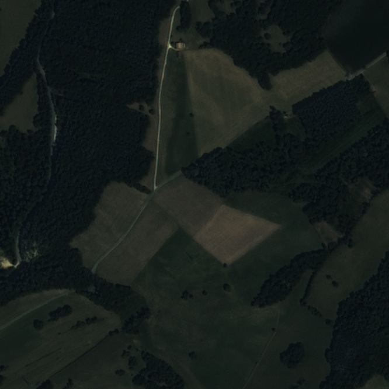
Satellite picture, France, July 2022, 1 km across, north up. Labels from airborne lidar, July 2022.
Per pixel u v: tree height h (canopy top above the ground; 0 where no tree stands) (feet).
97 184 57
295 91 0
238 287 0
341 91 74
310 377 0
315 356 0
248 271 0
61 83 66
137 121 51
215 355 0
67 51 98
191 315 0
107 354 0
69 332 0
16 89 69
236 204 0
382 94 0
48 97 71
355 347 60
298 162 63
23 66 84
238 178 93
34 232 65
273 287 63
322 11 44
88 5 63
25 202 106
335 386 100
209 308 0
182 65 0
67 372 0
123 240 0
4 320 0
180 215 0
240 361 0
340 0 32
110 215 0
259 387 0
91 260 0
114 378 0
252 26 61
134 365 41
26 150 56
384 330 111
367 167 74
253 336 0
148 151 42
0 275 71
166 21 0
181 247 0
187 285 0
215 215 0
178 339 0
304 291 0
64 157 75
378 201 0
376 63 0
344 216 51
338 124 105
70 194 73
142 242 0
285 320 0
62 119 31
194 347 0
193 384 0
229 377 0
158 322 0
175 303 0
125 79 46
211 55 0
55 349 0
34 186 92
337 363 64
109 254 0
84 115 69
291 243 0
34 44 83
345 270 0
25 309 0
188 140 0
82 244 0
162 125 0
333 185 86
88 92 65
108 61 62
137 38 52
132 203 0
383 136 100
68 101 82
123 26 56
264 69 70
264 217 0
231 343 0
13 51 0
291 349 49
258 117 0
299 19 46
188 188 0
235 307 0
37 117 32
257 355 0
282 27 59
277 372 0
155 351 0
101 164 45
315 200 53
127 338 0
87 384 0
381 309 80
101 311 0
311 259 67
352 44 0
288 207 0
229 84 0
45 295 0
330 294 0
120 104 51
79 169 51
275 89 0
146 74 39
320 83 0
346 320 70
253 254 0
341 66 0
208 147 0
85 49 94
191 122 0
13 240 75
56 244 40
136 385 31
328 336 0
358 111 79
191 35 0
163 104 0
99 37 77
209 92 0
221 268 0
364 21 0
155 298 0
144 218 0
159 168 0
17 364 0
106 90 56
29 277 86
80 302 0
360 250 0
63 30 50
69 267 92
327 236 0
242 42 64
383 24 0
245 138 0
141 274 0
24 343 0
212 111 0
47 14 81
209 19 0
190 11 50
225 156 86
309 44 45
